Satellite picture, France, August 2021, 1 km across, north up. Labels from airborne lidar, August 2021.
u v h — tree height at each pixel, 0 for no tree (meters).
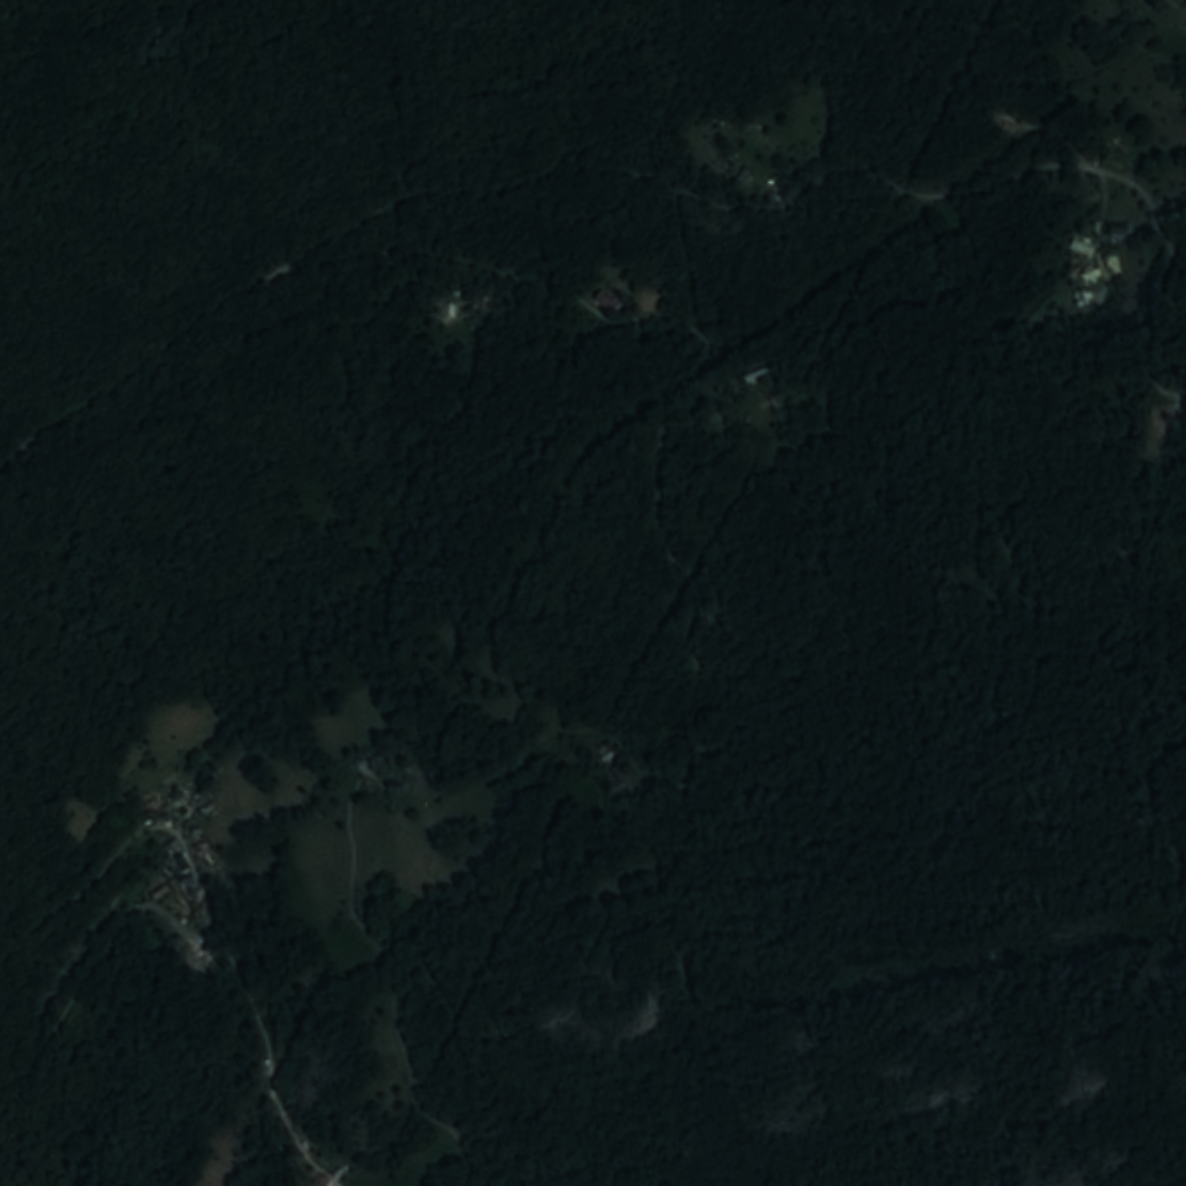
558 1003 13
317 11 28
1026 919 25
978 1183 14
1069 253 8
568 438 17
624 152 19
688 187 15
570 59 14
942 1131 24
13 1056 19
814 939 21
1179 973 18
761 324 8
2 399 23
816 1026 8
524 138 18
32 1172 28
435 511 27
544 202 28
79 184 24
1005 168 22
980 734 27
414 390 24
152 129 21
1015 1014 20
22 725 24
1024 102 24
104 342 21
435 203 22
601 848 16
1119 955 25
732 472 13
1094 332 6
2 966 16
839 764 17
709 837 22
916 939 28
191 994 19
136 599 18
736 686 22
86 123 22
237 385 22
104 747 21
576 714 7
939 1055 16
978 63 23
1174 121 0
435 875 0
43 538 31
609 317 20
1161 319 25
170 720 0
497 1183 24
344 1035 12
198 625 28
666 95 26
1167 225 18
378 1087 0
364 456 29
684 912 23
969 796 14
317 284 28
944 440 21
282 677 19
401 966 21
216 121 22
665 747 14
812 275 17
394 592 19
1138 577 13
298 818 15
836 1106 16
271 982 15
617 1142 13
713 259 20
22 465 19
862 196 24
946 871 23
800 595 14
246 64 15
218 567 22
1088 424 15
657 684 24
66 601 23
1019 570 10
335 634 13
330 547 17
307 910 0
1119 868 23
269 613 34
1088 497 14
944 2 24
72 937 12
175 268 20
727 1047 14
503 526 14
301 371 18
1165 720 21
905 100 22
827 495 12
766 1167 9
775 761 28
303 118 20
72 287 22
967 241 23
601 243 18
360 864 0
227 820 0
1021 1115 23
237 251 20
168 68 28
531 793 22
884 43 26
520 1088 16
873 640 22
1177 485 20
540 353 25
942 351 28
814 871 18
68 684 12
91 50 22
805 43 15
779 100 13
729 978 18
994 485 24
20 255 26
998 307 23
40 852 20
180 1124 19
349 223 24
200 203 26
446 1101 16
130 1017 24
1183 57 13
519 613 15
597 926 22
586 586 14
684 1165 16
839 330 15
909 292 12
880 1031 25
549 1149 14
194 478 25
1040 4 25
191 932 0
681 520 17
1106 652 21
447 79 21
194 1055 20
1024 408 26
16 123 24
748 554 17
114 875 21
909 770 19
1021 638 28
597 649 16
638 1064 19
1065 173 14
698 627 16
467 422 17
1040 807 19
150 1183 22
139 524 28
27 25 24
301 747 19
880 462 17
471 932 28
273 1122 14
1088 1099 6
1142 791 28
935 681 30
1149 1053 20
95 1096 21
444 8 22
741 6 21
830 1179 24
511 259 19
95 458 25
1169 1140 12
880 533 19
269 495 22
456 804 0
